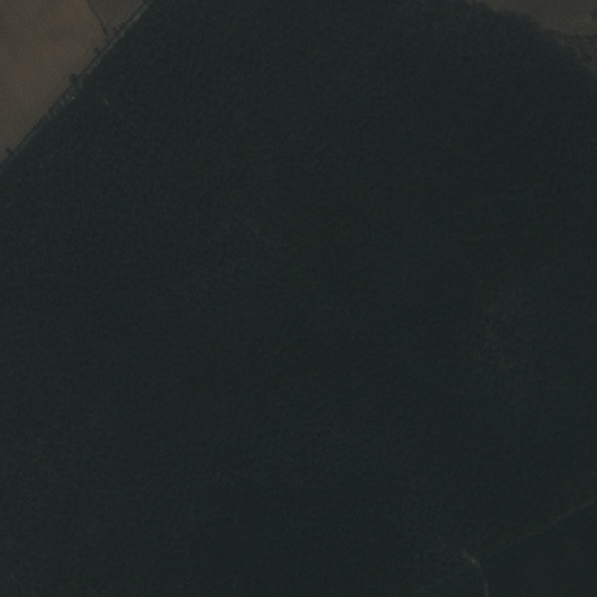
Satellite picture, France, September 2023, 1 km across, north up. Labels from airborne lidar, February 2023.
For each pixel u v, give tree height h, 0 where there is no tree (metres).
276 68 27
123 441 25
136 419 24
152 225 31
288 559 30
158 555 27
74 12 0
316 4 24
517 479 30
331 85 24
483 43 31
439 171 32
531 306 26
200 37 25
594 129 30
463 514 27
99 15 0
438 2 26
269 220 22
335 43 26
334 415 26
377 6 26
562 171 30
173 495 27
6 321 26
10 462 24
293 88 25
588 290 29
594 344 27
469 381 25
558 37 27
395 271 30
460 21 28
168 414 27
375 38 24
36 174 32
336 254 28
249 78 26
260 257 18
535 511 29
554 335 31
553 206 34
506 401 23
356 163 31
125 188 32
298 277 23
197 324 26
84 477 21
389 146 37
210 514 28
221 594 29
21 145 0
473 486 27
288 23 24
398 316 31
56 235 32
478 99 35
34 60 0
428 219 22
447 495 30
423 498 26
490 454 35
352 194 32
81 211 32
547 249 29
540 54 32
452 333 26
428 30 33
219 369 28
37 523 27
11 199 31
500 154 33
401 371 32
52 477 23
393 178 34
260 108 24
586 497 24
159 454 24
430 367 28
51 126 24
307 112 24
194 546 26
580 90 32
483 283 24
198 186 29
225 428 22
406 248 32
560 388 28
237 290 27
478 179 31
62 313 31
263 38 26
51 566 26
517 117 34
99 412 27
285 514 27
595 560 9
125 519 27
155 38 22
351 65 25
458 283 29
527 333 25
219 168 23
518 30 31
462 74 32
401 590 27
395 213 29
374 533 36
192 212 29
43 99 0
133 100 29
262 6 23
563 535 12
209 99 29
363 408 30
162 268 29
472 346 25
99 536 26
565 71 34
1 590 15
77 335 31
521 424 29
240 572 29
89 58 0
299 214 26
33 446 23
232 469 27
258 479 29
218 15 17
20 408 25
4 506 27
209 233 27
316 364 31
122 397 29
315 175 31
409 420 32
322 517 32
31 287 33
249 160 24
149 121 29
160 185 28
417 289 31
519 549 15
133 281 32
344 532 32
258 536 29
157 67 30
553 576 13
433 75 35
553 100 31
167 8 21
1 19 0
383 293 28
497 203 37
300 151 26
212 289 28
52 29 0
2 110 0
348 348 31
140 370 27
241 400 26
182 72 32
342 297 30
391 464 27
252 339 31
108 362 27
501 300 16
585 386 31
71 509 22
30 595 29
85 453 18
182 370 31
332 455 26
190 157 31
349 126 34
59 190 30
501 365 23
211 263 20
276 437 28
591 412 28
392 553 30
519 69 33
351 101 32
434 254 28
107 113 29
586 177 30
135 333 28
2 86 0
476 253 26
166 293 30
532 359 29
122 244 32
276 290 25
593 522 11
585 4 0
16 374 28
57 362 28
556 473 31
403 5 22
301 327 34
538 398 28
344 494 33
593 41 20
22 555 26
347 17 24
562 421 31
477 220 35
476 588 16
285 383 25
